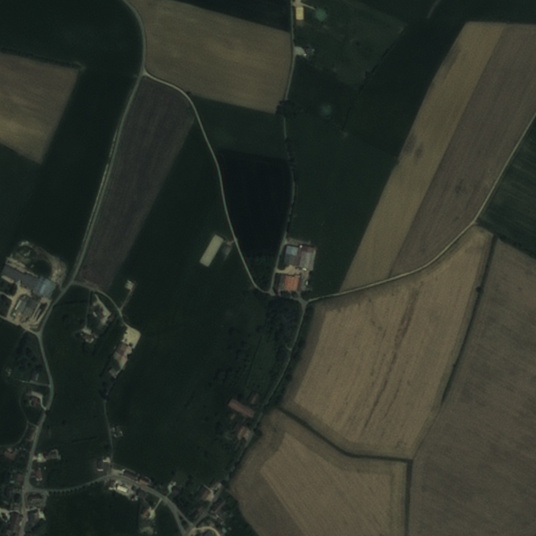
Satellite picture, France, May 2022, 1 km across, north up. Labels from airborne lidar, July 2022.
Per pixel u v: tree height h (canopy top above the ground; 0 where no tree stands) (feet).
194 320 0
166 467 0
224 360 0
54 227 0
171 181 0
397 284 0
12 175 0
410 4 0
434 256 0
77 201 0
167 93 0
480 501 0
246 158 0
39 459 0
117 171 0
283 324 50
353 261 0
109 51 0
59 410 0
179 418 0
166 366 0
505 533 0
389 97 0
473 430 0
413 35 0
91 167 0
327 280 0
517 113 0
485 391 0
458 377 0
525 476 0
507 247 0
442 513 0
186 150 0
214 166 0
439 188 0
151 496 0
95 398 0
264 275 39
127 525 0
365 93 0
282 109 39
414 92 0
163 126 0
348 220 0
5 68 0
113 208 0
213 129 0
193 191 0
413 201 0
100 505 0
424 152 0
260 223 0
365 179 0
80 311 0
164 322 0
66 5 0
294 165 30
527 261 0
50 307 0
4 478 27
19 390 0
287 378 34
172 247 0
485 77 0
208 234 0
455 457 0
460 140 0
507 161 0
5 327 0
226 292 0
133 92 0
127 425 0
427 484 0
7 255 0
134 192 0
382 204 0
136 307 0
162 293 0
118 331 0
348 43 0
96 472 0
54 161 0
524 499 0
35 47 0
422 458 0
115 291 0
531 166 0
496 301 0
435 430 0
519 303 0
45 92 0
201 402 0
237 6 0
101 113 0
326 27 0
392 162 0
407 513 0
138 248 0
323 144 0
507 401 0
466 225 0
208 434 0
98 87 0
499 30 0
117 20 0
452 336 0
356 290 0
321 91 0
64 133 0
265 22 0
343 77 0
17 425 0
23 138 0
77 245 0
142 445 0
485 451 0
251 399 0
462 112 0
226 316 0
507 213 0
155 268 0
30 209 0
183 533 0
